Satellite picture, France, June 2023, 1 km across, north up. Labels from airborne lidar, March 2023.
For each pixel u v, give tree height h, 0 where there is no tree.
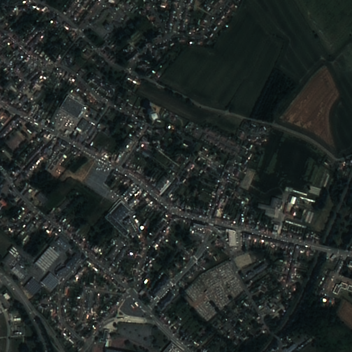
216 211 0
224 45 0
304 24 0
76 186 0
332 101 0
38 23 7
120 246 0
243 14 0
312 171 0
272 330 10
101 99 0
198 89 0
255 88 0
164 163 0
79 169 0
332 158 0
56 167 0
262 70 0
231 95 0
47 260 0
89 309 0
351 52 0
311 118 0
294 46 0
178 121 0
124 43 0
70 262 0
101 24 0
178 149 11
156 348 8
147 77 0
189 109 0
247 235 0
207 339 0
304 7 0
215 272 0
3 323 0
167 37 0
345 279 0
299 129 0
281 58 0
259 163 0
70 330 0
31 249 15
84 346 0
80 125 0
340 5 0
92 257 0
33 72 0
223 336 7
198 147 0
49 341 20
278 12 0
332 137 0
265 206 0
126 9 0
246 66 0
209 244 0
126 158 0
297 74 0
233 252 0
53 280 0
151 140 7
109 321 0
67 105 0
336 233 14
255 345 6
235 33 0
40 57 0
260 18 0
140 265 0
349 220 13
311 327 8
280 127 0
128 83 8
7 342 0
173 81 0
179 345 0
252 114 9
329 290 0
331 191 13
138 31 0
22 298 0
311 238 0
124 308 0
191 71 0
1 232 0
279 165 0
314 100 0
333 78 0
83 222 18
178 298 0
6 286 0
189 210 0
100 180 0
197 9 0
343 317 0
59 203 0
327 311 11
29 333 0
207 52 0
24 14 12
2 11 9
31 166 0
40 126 0
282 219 0
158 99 0
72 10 0
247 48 0
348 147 0
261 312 0
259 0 0
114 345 0
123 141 12
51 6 0
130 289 0
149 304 0
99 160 0
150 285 8
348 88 0
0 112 0
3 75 11
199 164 11
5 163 13
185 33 9
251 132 0
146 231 6
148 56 13
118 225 0
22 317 9
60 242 0
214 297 0
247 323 0
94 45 0
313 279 10
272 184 0
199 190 6
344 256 0
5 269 0
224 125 0
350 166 9
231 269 0
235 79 0
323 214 0
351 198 17
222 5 0
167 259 15
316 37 13
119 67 0
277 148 0
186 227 0
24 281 0
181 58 0
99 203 0
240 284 0
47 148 0
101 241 0
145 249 0
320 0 0
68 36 0
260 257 0
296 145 0
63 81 7
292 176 0
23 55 0
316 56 0
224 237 0
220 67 0
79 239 0
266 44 0
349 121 0
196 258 0
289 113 0
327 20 0
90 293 0
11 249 0
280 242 0
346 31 0
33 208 0
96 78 0
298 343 0
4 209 7
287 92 13
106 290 0
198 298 0
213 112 0
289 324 7
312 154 0
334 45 0
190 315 0
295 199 0
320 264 6
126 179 0
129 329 0
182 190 0
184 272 0
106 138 0
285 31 0
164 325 0
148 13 8
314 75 0
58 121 0
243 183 0
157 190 0
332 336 0
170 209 0
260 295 11
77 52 11
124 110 0
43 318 0
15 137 0
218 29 0
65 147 0
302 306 10
